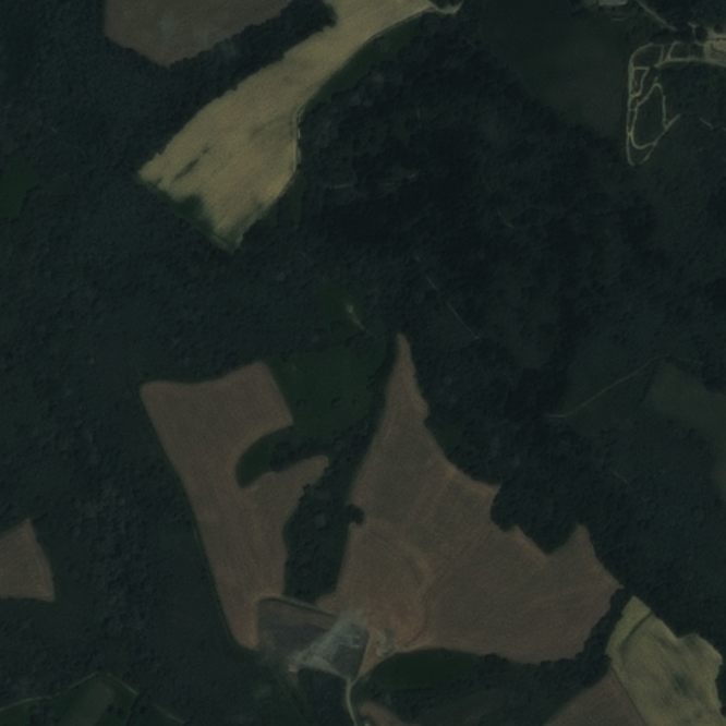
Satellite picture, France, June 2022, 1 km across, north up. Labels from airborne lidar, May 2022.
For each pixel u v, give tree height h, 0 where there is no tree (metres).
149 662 11
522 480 18
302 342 12
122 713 14
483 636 0
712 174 12
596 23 0
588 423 0
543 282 8
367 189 12
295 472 0
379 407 6
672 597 12
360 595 0
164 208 22
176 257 10
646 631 0
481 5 7
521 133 8
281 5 0
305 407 15
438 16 8
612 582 0
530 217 7
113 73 24
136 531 12
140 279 11
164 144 20
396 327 11
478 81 14
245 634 0
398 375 0
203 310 7
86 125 15
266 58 18
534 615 0
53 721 8
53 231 13
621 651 0
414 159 14
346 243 9
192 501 0
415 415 0
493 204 14
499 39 0
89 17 22
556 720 0
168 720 0
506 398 8
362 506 0
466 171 9
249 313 9
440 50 17
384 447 0
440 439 0
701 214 10
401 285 12
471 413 15
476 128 8
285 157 0
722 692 7
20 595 0
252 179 0
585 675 14
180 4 0
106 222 21
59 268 8
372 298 10
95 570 16
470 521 0
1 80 18
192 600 0
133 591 15
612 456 12
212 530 0
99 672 10
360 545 0
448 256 16
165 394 0
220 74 17
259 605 0
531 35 0
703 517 9
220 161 0
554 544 11
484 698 0
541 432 12
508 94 12
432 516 0
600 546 12
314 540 8
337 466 9
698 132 12
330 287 0
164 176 0
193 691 9
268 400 0
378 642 0
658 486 8
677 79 8
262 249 8
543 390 17
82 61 23
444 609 0
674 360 7
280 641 0
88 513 16
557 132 12
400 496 0
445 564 0
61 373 8
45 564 0
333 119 15
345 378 0
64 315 16
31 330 11
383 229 22
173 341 12
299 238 14
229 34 0
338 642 0
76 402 13
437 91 12
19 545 0
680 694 0
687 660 0
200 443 0
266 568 0
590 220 13
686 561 7
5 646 6
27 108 14
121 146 7
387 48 10
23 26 15
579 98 0
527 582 0
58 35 23
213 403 0
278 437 0
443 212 19
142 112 23
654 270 11
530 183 9
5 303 6
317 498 15
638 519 13
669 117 7
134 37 0
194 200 0
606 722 0
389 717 0
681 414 0
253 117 0
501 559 0
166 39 0
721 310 13
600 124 0
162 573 6
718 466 0
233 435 0
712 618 8
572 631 0
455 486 0
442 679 0
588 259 11
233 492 0
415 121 7
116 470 14
